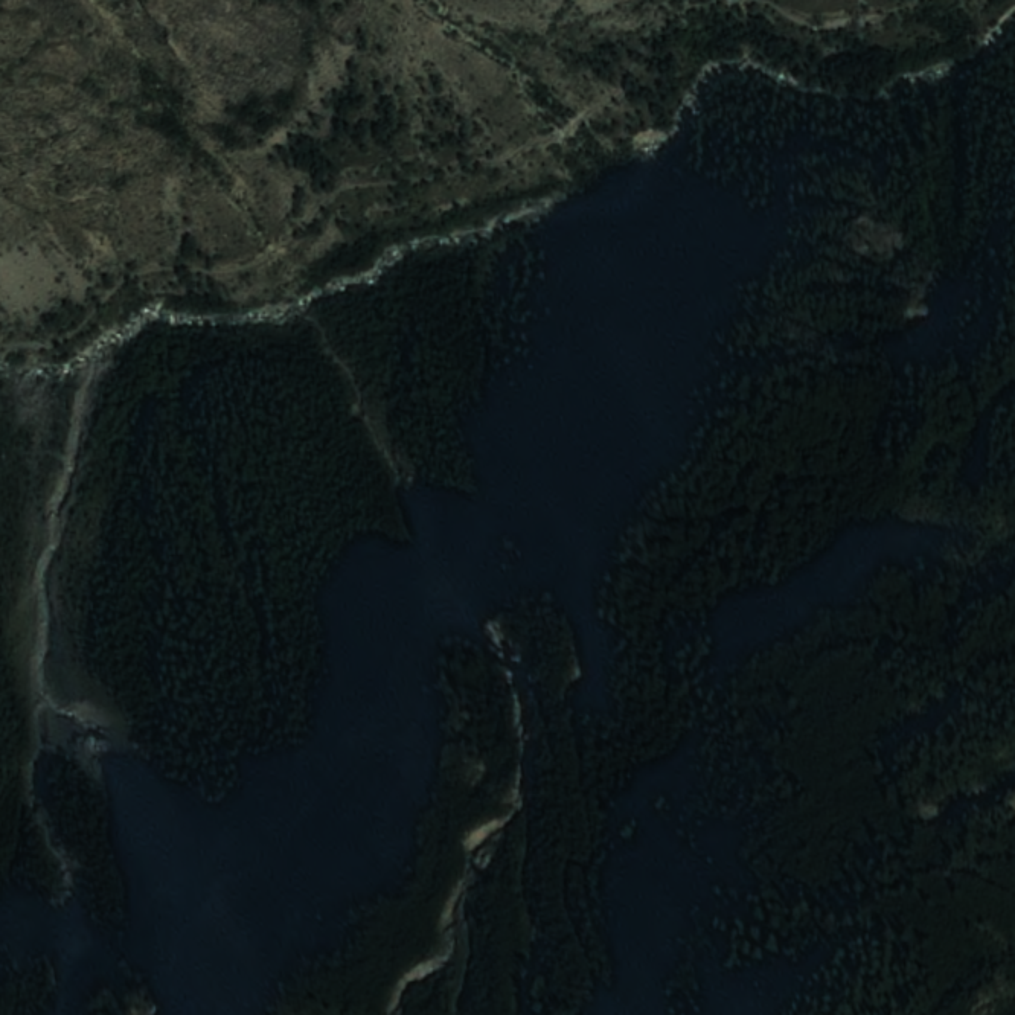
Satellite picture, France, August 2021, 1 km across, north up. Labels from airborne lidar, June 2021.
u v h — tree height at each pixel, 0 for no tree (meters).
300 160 21
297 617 10
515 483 10
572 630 7
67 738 0
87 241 0
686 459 6
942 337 7
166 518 22
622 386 13
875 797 6
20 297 0
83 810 9
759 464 17
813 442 16
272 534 13
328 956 8
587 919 9
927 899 7
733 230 7
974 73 15
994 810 13
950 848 7
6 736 6
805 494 14
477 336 7
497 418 7
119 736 0
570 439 18
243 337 13
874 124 9
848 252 13
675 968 7
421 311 7
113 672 8
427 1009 6
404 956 7
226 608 9
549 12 0
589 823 6
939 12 9
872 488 6
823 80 14
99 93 8
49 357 7
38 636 0
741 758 5
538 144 0
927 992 26
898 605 7
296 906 6
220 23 0
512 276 20
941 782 16
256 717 11
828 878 6
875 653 7
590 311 13
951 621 5
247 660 12
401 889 7
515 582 7
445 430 7
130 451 9
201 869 0
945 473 26
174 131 6
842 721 6
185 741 22
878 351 13
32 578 0
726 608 6
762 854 6
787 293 30
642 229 17
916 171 31
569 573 9
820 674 6
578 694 8
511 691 7
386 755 6
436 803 26
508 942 6
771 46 22
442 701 7
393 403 9
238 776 8
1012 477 21
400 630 6
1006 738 17
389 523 6
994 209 12
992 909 5
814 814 6
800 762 6
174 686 21
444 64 0
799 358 9
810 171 14
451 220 9
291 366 14
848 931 16
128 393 9
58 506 0
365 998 6
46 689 0
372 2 0
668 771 7
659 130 8
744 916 8
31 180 12
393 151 6
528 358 23
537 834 6
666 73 18
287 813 7
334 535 11
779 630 8
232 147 6
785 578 18
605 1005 0
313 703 12
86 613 7
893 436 15
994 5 10
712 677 16
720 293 10
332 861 8
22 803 6
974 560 10
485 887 6
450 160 0
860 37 8
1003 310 12
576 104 0
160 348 10
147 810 0
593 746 9
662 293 8
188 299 6
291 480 10
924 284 9
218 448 24
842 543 7
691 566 8
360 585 9
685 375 9
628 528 8
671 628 13
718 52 14
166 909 8
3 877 7
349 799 9
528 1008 7
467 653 12
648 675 19
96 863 9
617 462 29
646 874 6
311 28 8
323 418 10
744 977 7
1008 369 31
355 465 6
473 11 0
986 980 6
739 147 27
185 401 10
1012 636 6
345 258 12
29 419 0
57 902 8
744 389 17
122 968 15
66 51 0
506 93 0
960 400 19
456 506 12
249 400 20
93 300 6
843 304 26
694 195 10
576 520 10
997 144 25
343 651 6
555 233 8
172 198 0
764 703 8
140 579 9
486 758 10
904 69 9
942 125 23
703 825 9
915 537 0
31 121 0
